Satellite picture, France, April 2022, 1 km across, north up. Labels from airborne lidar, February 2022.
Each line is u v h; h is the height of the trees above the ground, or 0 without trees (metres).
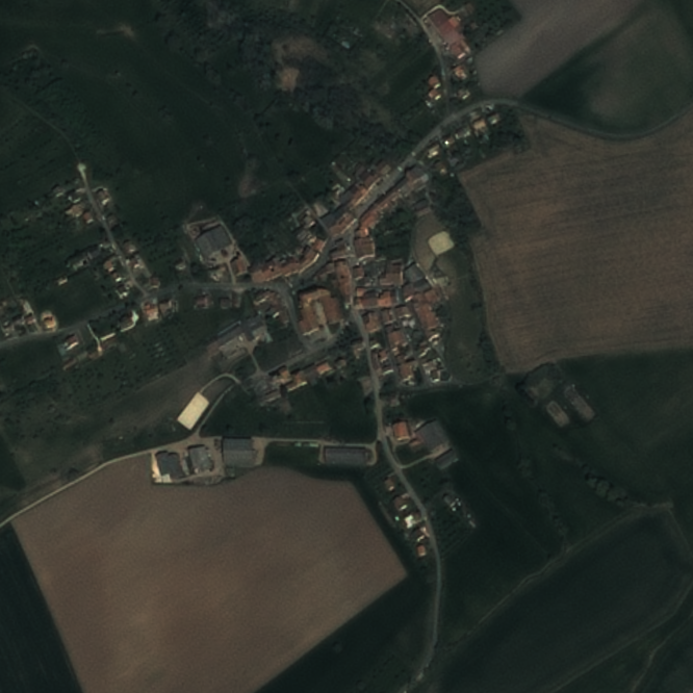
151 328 0
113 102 0
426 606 0
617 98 0
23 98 0
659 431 0
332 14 0
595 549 0
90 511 0
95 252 0
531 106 0
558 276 0
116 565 0
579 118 0
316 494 0
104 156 0
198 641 0
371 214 0
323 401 0
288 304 0
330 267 0
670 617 0
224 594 0
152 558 0
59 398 11
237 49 0
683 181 0
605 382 0
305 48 0
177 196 0
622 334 0
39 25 0
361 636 0
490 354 18
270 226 13
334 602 0
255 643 0
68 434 0
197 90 0
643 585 0
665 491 0
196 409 0
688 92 0
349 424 0
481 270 0
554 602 0
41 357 0
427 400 0
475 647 0
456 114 0
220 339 0
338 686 0
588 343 0
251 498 0
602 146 0
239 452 0
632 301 0
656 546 0
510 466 0
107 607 0
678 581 0
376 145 9
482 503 0
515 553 0
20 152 0
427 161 0
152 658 0
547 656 0
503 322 0
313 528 0
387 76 0
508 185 0
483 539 0
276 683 0
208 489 0
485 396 0
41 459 0
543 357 0
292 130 0
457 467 0
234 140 0
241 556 0
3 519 0
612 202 0
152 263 6
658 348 0
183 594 0
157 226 0
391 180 0
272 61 30
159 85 0
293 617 0
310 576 0
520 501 0
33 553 0
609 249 0
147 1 0
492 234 0
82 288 0
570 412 0
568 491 0
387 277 0
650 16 0
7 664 0
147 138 0
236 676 0
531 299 0
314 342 0
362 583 0
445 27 0
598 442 0
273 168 0
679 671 0
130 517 0
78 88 0
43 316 0
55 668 0
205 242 0
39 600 0
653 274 0
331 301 0
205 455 0
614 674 0
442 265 0
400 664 0
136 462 0
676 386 0
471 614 0
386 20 0
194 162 0
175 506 0
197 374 0
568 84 0
